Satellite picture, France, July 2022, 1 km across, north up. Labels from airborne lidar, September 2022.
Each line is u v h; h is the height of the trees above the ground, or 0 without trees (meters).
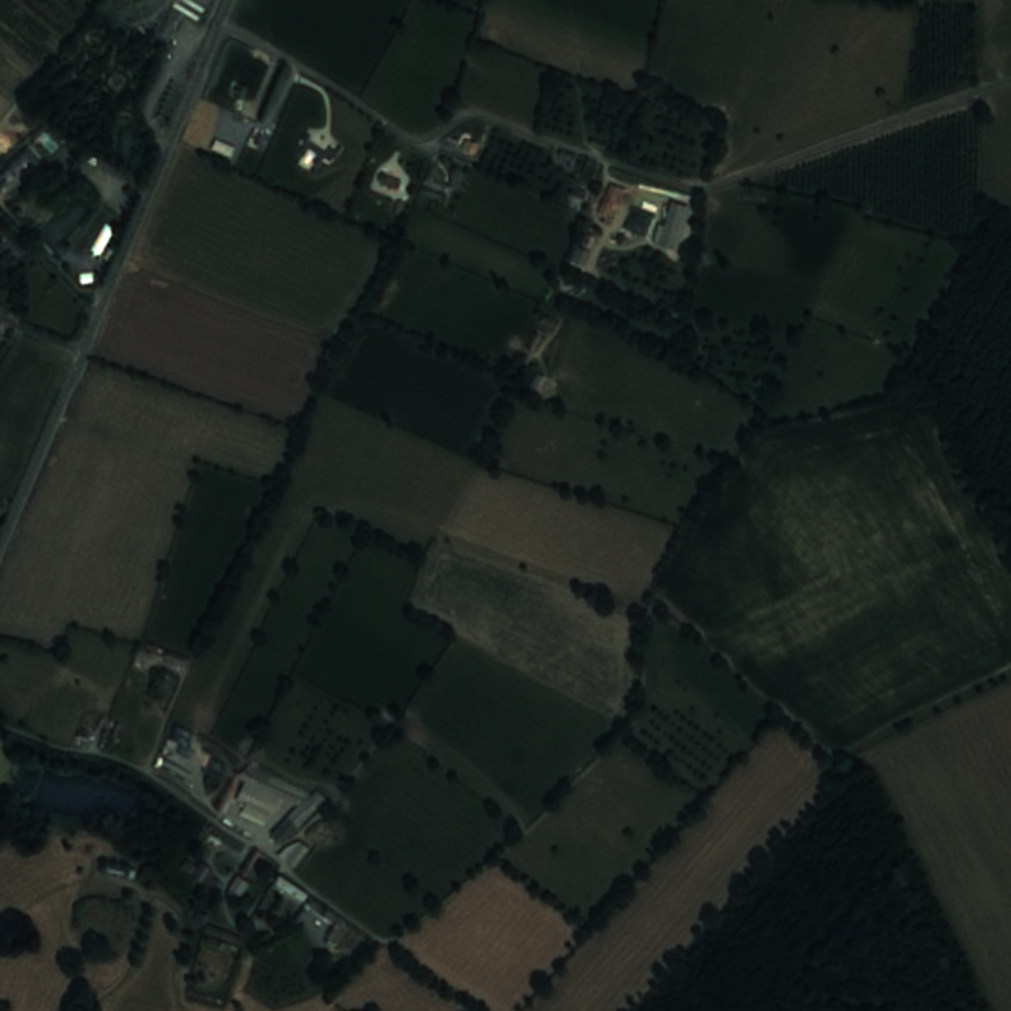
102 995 0
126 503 0
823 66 0
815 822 9
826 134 0
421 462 0
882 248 0
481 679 0
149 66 13
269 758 0
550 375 0
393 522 0
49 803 0
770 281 0
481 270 0
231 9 0
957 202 7
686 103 16
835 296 0
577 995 0
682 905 0
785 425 11
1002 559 14
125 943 0
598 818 0
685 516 17
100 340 0
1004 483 10
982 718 0
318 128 0
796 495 0
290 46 0
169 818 24
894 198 6
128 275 0
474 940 0
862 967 24
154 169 13
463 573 0
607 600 23
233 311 0
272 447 0
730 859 0
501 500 0
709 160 11
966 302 10
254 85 0
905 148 7
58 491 0
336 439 0
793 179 6
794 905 9
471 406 0
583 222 11
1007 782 0
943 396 9
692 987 13
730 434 0
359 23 0
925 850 0
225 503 0
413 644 0
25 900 0
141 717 0
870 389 0
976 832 0
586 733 0
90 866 0
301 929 9
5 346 10
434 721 0
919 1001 20
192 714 0
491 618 0
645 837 0
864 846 10
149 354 0
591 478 0
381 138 12
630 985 0
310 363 0
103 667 0
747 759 7
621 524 0
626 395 0
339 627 0
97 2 14
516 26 0
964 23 7
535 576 0
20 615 0
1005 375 11
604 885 0
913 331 0
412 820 0
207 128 0
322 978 16
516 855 0
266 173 0
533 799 0
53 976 0
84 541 0
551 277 15
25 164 0
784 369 16
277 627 0
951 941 7
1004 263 12
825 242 0
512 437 0
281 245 0
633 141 8
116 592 0
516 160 8
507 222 0
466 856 0
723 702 0
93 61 7
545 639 0
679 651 0
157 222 0
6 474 0
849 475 0
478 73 0
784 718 15
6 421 0
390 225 6
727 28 0
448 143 0
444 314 0
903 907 23
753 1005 11
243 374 0
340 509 0
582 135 0
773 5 0
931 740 0
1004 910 0
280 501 12
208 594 0
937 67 7
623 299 15
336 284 0
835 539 0
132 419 0
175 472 0
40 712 0
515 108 0
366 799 0
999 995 0
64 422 0
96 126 11
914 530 0
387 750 19
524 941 0
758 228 0
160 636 0
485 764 0
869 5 16
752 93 0
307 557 0
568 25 0
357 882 0
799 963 10
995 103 0
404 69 0
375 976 0
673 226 0
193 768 0
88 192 27
